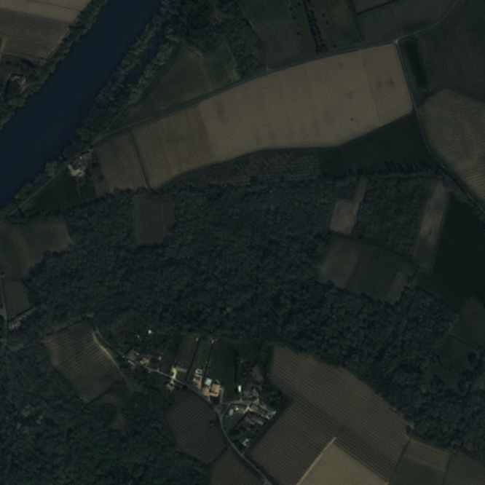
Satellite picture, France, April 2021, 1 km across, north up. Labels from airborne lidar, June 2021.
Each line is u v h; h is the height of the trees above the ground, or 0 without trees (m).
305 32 0
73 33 10
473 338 0
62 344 0
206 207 7
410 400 22
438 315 15
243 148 0
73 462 21
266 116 0
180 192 8
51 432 20
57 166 38
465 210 0
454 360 0
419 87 0
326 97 0
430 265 0
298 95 0
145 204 0
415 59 0
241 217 17
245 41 14
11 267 0
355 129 0
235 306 18
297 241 21
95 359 0
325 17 8
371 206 12
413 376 24
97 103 16
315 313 14
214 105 0
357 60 0
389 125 0
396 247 11
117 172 0
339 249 0
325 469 0
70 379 0
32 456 19
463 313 0
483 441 23
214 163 0
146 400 10
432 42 0
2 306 7
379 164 0
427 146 0
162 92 0
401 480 0
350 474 0
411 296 13
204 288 16
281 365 0
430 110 0
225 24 6
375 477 0
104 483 26
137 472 21
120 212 20
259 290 18
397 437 0
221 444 0
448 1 0
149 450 23
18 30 0
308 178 25
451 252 0
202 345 0
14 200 8
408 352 20
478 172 0
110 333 7
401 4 0
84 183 0
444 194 0
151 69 31
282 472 0
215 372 0
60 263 18
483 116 0
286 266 18
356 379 0
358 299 15
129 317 10
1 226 0
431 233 0
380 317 16
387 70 0
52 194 0
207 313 18
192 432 0
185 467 19
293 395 0
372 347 27
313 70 0
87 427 25
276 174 18
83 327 0
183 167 0
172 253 18
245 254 19
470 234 0
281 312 24
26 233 0
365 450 0
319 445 0
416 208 11
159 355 6
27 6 0
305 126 0
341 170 0
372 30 0
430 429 10
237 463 0
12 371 21
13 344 20
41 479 18
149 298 15
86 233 15
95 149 8
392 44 0
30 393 13
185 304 28
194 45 14
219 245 11
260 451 0
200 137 0
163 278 27
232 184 14
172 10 10
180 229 15
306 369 0
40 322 20
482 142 0
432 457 0
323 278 0
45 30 0
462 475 0
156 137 0
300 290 10
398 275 0
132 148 0
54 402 7
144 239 0
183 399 0
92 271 18
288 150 0
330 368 0
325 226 13
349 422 0
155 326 14
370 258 0
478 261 0
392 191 16
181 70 0
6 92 7
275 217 17
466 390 20
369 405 0
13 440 15
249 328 21
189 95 0
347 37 0
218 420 0
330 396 0
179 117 0
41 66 8
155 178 0
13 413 24
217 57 0
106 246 21
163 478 23
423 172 20
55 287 23
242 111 0
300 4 6
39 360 16
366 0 0
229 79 0
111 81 13
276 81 0
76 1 0
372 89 0
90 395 0
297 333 7
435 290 0
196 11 9
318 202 15
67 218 16
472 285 0
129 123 0
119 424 0
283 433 0
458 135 0
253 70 13
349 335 22
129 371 10
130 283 19
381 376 9
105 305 14
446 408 24
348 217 0
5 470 19
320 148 0
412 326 17
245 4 0
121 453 24
